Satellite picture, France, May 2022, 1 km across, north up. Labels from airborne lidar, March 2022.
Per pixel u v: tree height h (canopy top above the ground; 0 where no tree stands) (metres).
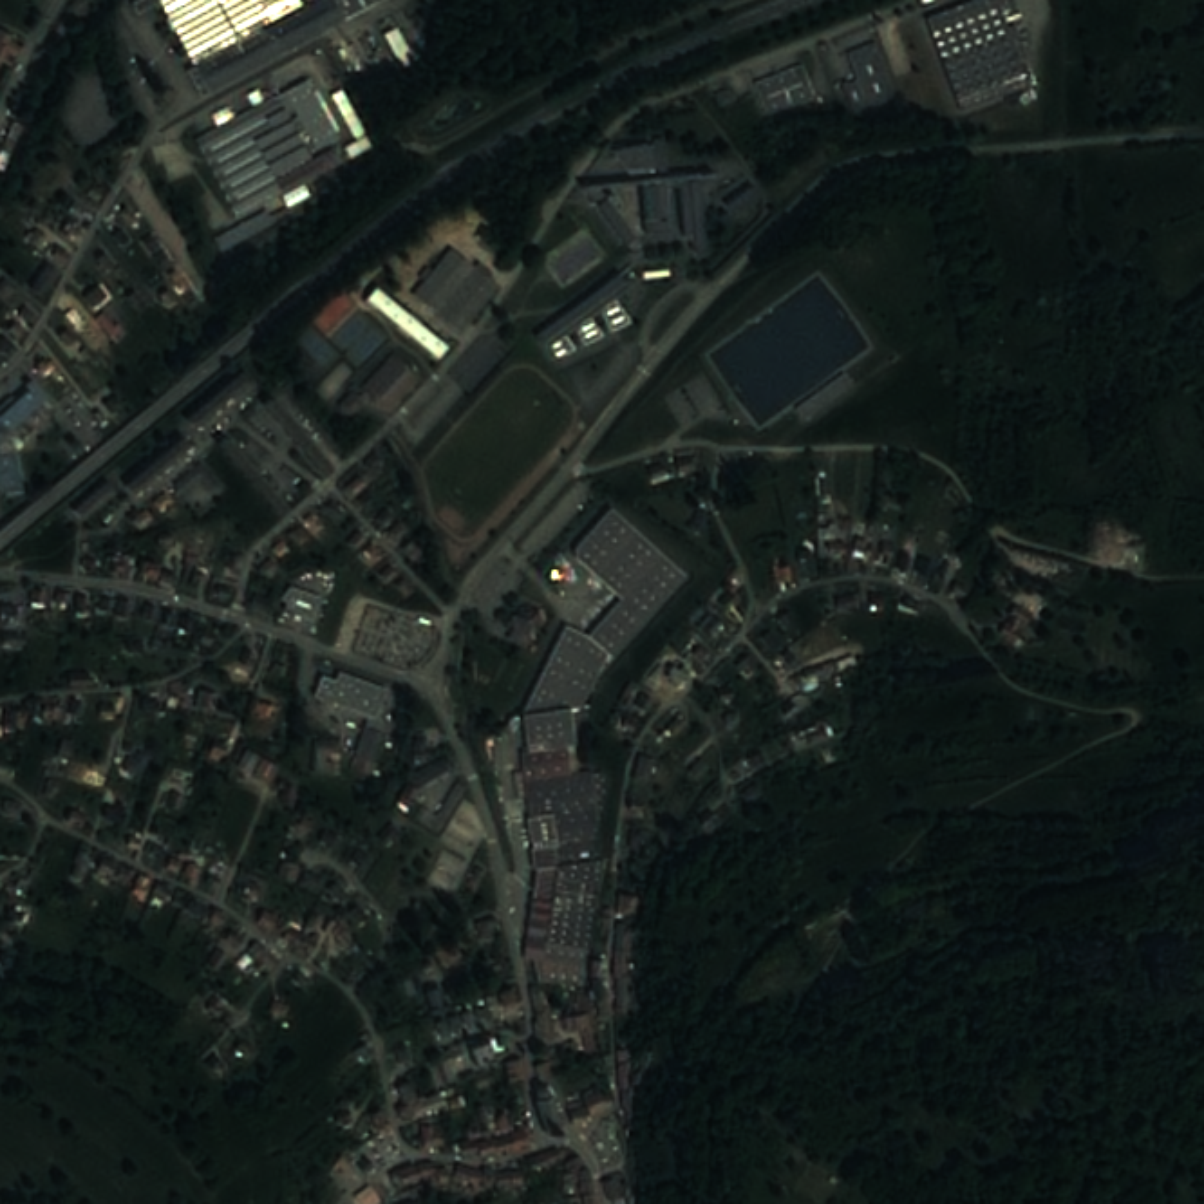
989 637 11
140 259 0
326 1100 0
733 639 0
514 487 0
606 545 0
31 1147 0
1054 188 0
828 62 0
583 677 0
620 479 0
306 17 0
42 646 0
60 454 0
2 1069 0
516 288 0
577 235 0
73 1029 10
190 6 0
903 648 7
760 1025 17
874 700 10
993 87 0
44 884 0
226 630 7
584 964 0
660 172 0
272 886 0
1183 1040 6
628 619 0
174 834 0
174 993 0
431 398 0
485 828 0
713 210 6
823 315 0
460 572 0
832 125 15
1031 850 8
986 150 0
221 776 12
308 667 0
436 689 0
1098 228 0
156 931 0
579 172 0
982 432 11
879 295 0
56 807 0
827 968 0
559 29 5
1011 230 0
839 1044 13
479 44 18
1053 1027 8
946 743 7
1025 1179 20
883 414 0
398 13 0
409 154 6
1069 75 0
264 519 0
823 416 0
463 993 26
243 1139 0
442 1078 0
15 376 0
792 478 0
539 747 0
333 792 0
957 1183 12
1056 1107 16
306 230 6
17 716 0
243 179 0
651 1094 9
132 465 0
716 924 8
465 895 6
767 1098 16
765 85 0
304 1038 0
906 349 0
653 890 7
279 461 0
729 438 0
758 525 0
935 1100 13
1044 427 8
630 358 0
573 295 0
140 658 0
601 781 0
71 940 0
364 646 0
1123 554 0
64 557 0
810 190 0
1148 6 0
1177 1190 15
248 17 0
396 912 0
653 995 9
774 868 13
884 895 20
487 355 0
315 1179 15
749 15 0
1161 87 10
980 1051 15
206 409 0
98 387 0
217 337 22
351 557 0
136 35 0
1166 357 6
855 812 0
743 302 0
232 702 16
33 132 20
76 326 0
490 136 0
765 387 0
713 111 0
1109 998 7
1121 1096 8
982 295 19
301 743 14
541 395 0
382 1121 0
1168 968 29
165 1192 0
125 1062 0
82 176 10
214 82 0
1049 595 15
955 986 8
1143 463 0
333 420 10
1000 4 0
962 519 7
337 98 0
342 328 0
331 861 0
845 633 0
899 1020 7
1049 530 0
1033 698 0
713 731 0
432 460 0
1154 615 0
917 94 0
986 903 6
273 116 0
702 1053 20
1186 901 8
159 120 0
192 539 0
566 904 0
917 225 0
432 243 0
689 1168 17
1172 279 0
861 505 0
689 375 0
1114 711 0
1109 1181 17
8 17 0
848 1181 17
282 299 0
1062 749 0
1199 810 29
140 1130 0
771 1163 15
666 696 0
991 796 0
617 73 0
